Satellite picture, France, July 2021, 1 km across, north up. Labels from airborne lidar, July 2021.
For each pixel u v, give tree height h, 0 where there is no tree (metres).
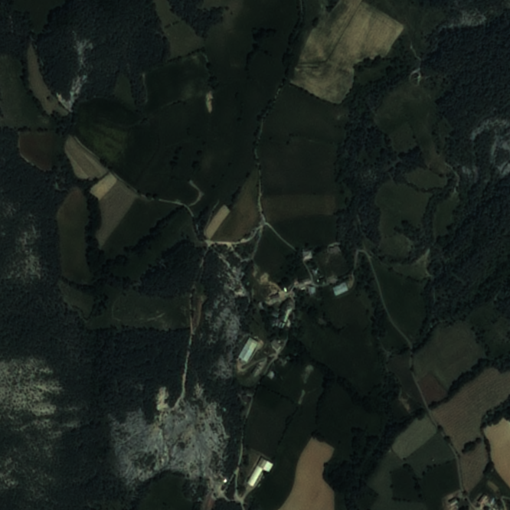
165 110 0
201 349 10
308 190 0
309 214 0
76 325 9
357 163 11
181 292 10
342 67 0
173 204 0
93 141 0
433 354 0
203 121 0
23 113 0
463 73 13
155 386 6
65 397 8
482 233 16
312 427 0
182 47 0
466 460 0
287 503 0
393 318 0
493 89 9
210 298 6
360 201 8
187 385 6
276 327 12
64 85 11
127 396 11
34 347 7
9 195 7
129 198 0
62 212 0
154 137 0
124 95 0
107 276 16
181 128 0
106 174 0
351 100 8
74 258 0
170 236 0
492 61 11
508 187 17
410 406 0
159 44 18
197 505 8
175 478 0
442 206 0
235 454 8
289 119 0
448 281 10
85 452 15
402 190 0
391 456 0
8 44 20
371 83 7
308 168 0
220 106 0
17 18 14
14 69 0
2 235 8
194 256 16
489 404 0
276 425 0
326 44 0
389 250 0
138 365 13
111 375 16
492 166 7
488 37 15
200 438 0
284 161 0
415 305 0
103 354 22
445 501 0
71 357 6
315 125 0
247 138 0
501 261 14
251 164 0
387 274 0
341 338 0
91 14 8
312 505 0
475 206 17
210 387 10
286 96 0
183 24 0
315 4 0
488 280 17
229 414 7
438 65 9
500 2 7
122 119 0
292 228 0
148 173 0
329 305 0
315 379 0
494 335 0
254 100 0
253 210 0
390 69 14
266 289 0
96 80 9
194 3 11
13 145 8
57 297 13
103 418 10
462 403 0
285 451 0
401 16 0
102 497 16
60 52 11
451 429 0
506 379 0
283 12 0
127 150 0
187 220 0
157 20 17
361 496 10
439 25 10
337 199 0
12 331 11
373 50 0
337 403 0
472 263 13
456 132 13
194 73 0
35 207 12
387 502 0
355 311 0
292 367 0
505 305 15
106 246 0
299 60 0
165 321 0
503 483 0
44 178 14
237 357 7
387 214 0
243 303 12
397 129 0
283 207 0
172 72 0
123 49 8
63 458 8
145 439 0
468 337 0
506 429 0
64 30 12
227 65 0
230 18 0
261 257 0
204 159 0
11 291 10
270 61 0
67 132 17
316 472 0
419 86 0
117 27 9
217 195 0
